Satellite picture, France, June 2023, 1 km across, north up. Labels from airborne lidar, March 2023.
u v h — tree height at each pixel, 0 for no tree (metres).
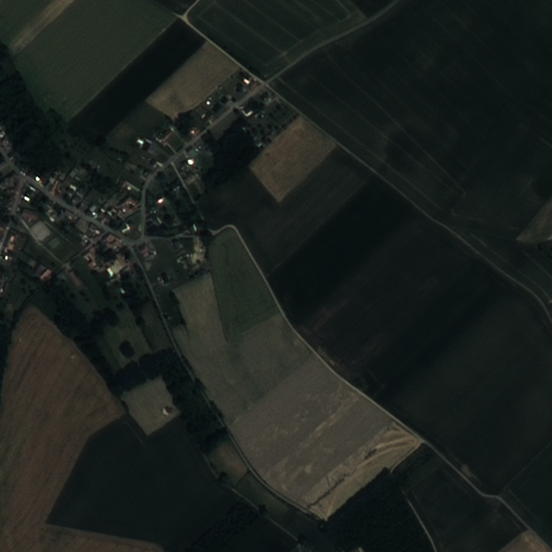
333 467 0
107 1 0
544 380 0
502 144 0
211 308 0
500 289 0
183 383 14
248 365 0
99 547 0
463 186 0
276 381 0
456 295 0
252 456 0
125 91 0
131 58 0
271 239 0
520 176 0
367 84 0
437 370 0
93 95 0
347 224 0
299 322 0
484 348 0
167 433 0
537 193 0
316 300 0
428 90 0
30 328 0
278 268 0
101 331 13
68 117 0
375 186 0
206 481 0
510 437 0
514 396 0
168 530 0
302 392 0
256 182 0
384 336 0
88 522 0
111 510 0
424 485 0
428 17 0
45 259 0
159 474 0
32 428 0
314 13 0
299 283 0
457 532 0
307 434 0
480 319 0
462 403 0
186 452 0
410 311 0
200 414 10
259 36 0
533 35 0
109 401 0
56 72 0
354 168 0
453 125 0
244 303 0
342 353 0
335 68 0
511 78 0
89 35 0
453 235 0
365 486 0
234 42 0
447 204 0
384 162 0
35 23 0
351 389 0
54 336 0
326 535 26
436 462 0
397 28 0
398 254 0
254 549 0
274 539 0
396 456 0
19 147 13
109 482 0
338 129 0
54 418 0
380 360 0
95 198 0
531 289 0
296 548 0
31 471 0
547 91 0
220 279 0
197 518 0
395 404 0
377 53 0
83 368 0
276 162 0
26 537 0
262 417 0
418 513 0
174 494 0
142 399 0
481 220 0
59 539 0
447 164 0
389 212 0
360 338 0
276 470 0
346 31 0
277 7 0
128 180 0
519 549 0
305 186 0
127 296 14
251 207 0
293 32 0
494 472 0
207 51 0
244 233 0
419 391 0
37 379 0
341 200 0
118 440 0
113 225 13
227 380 0
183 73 0
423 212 0
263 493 0
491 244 0
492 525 0
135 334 0
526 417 0
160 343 0
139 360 0
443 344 0
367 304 0
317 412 0
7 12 0
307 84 0
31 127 18
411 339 0
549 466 0
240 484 0
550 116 0
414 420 0
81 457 0
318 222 0
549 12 0
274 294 0
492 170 0
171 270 0
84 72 0
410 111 0
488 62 0
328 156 0
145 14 0
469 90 0
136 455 0
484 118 0
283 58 0
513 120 0
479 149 0
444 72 0
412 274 0
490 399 0
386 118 0
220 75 0
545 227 0
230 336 0
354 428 0
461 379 0
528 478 0
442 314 0
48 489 0
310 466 0
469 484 0
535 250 0
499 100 0
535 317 0
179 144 0
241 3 0
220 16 0
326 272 0
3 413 0
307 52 0
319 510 0
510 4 0
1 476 0
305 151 0
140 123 0
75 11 0
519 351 0
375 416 0
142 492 0
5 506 0
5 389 0
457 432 0
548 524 0
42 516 0
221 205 0
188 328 0
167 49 0
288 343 0
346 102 0
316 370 0
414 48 0
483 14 0
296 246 0
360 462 0
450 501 0
